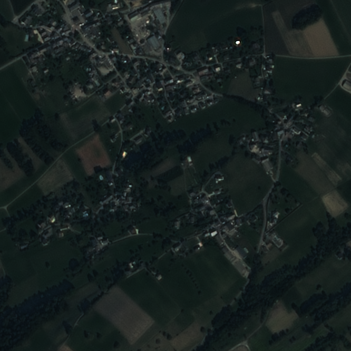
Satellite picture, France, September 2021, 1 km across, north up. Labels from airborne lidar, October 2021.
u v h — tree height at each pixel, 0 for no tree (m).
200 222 12
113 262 0
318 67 0
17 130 0
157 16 0
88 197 0
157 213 15
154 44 0
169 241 7
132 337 0
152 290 0
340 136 0
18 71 0
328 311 7
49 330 0
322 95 0
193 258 0
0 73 0
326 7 0
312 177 0
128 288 0
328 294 0
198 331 0
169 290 0
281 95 0
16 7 0
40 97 0
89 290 0
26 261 0
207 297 0
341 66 0
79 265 12
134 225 6
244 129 0
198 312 0
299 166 0
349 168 0
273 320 0
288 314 0
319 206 0
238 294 0
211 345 22
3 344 27
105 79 7
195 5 0
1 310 15
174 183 0
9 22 7
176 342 0
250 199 0
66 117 0
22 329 28
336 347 14
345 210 0
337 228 24
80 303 0
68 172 0
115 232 0
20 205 0
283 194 13
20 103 0
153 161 12
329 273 0
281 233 0
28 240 16
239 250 0
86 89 8
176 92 8
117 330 0
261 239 0
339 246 21
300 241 0
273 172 0
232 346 0
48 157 10
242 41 17
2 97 0
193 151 20
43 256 0
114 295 0
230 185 0
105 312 0
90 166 0
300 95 0
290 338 0
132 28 0
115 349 6
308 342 0
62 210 10
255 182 0
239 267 0
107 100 0
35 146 17
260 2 0
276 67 0
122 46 0
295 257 0
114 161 0
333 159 0
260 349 0
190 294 0
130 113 8
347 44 0
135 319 0
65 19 0
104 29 7
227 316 24
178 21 0
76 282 0
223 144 0
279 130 0
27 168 19
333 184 0
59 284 0
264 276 0
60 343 0
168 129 0
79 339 0
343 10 0
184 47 0
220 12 0
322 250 24
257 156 10
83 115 0
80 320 0
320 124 0
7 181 0
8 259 0
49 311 25
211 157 0
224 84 0
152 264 8
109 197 0
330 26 0
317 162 0
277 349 0
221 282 0
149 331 0
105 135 0
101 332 0
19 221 9
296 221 0
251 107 10
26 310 0
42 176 0
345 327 0
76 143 0
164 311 0
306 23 19
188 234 0
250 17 0
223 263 0
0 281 0
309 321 0
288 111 9
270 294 23
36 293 0
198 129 0
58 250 0
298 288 0
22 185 0
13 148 19
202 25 0
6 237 0
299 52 0
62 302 25
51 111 0
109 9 0
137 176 21
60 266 0
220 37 0
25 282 0
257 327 0
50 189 0
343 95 0
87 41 0
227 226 0
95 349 0
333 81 0
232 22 0
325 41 0
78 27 0
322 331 0
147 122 0
